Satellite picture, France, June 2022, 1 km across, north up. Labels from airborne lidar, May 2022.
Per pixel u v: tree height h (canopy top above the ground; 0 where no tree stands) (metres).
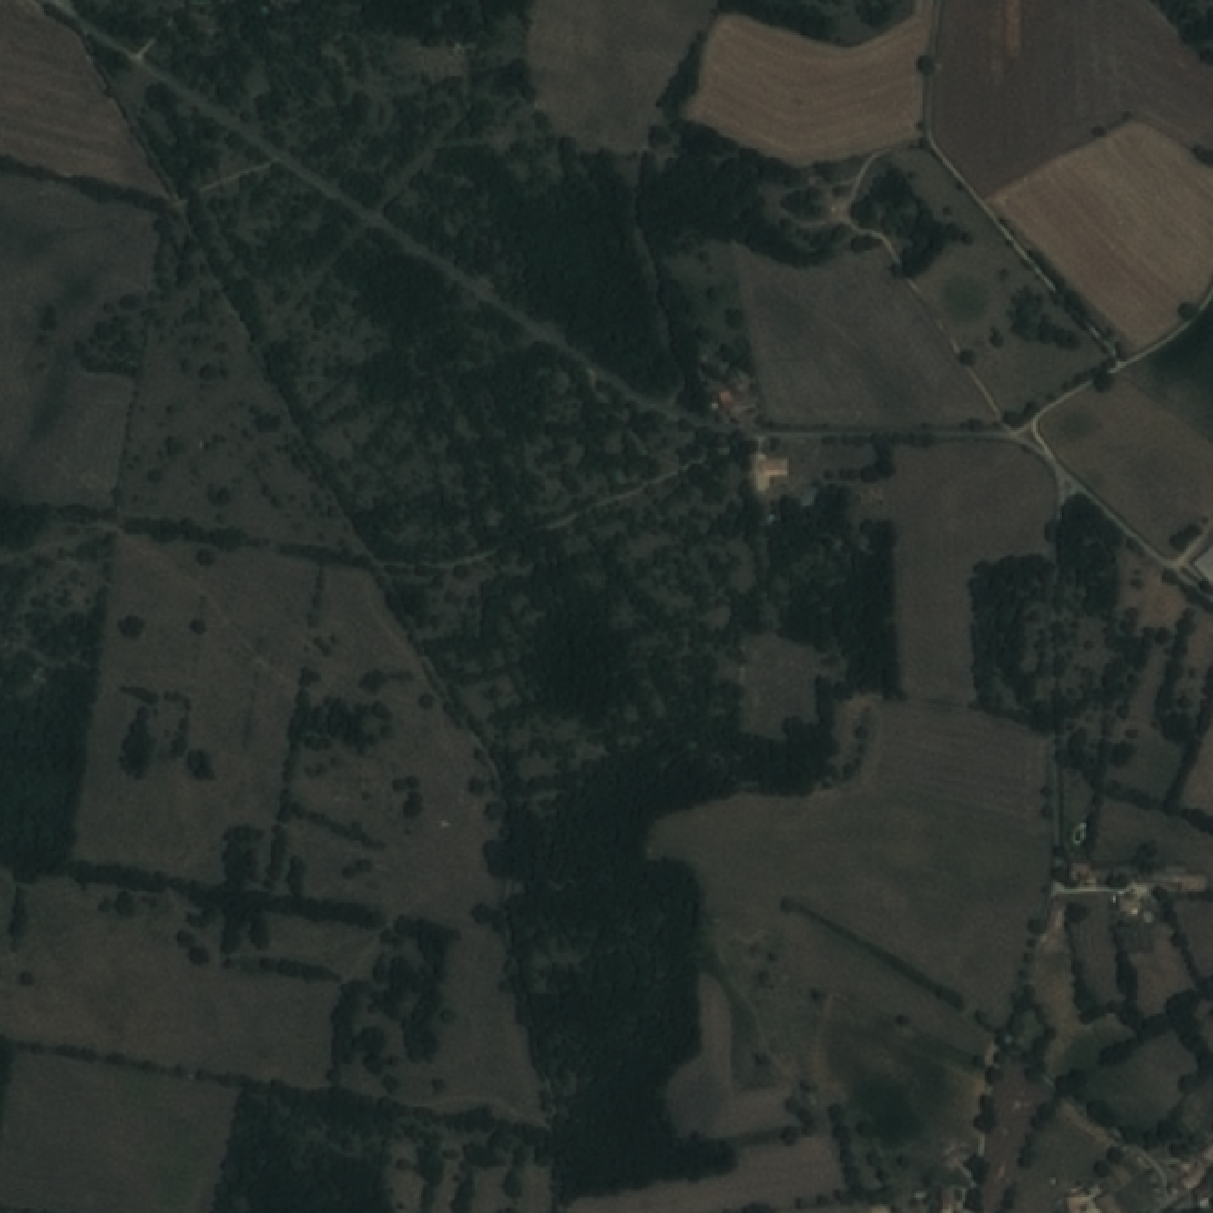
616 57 0
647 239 13
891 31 0
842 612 9
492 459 9
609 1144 13
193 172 8
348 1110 9
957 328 0
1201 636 0
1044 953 0
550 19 0
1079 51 0
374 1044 12
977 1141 0
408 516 6
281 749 0
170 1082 0
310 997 0
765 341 0
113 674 0
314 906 10
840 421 0
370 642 0
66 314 0
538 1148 8
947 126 0
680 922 10
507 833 8
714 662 6
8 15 0
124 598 0
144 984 0
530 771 0
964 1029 0
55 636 8
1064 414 0
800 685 0
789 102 0
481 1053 0
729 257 0
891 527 9
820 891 0
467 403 9
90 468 0
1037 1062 12
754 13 8
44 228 0
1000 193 0
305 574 0
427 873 0
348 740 9
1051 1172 0
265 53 6
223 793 0
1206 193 0
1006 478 0
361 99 8
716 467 10
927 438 10
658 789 16
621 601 7
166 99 8
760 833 0
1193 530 10
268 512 0
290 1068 0
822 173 7
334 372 7
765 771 13
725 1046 0
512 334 6
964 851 0
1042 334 8
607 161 12
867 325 0
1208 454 0
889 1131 0
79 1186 0
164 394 0
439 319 6
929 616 0
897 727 0
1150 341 0
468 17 10
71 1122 0
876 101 0
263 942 9
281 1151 6
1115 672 10
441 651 8
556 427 8
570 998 9
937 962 0
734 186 10
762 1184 0
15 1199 0
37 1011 0
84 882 10
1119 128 0
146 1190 0
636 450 11
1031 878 0
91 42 7
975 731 0
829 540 9
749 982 0
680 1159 12
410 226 7
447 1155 8
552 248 10
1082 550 10
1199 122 0
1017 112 0
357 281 8
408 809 11
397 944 10
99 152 0
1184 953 6
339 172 7
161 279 7
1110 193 0
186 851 0
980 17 0
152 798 0
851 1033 0
